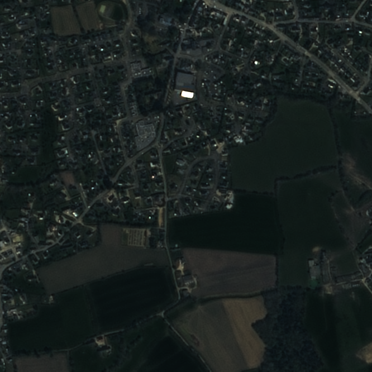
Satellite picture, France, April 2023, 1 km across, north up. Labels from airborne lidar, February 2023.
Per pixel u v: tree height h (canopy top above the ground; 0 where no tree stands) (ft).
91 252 0
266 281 0
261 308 0
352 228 0
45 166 17
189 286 0
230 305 0
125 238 0
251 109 0
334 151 0
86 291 0
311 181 0
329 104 49
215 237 0
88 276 0
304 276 0
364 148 0
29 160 20
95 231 0
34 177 0
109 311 0
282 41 0
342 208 0
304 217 0
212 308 0
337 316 0
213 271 0
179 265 0
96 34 0
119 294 0
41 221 0
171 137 23
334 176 0
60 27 0
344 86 0
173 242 0
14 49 0
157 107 68
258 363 0
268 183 0
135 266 0
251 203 0
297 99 53
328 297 0
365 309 0
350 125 0
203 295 0
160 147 0
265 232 0
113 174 22
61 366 0
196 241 0
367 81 0
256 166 0
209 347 0
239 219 0
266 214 0
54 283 0
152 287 0
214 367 0
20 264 0
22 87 0
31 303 0
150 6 20
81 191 0
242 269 0
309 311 0
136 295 0
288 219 0
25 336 0
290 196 0
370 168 0
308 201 0
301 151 0
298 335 61
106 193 0
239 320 0
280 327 45
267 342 39
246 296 0
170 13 49
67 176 0
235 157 0
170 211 0
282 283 0
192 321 0
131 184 0
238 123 35
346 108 54
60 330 0
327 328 0
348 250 0
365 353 0
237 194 26
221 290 0
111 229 0
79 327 0
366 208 0
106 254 0
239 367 0
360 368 0
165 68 0
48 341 0
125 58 0
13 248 0
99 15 0
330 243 0
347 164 0
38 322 0
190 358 0
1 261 0
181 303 42
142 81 51
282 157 0
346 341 0
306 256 0
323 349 0
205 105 0
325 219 0
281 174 0
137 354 0
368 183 0
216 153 0
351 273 0
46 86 0
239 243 0
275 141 0
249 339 0
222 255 0
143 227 34
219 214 0
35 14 36
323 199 0
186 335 0
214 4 0
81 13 0
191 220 0
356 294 0
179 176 0
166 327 0
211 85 0
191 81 0
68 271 0
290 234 0
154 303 0
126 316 0
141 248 0
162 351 0
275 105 44
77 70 0
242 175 0
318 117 0
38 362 0
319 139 0
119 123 0
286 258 0
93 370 0
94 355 0
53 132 0
